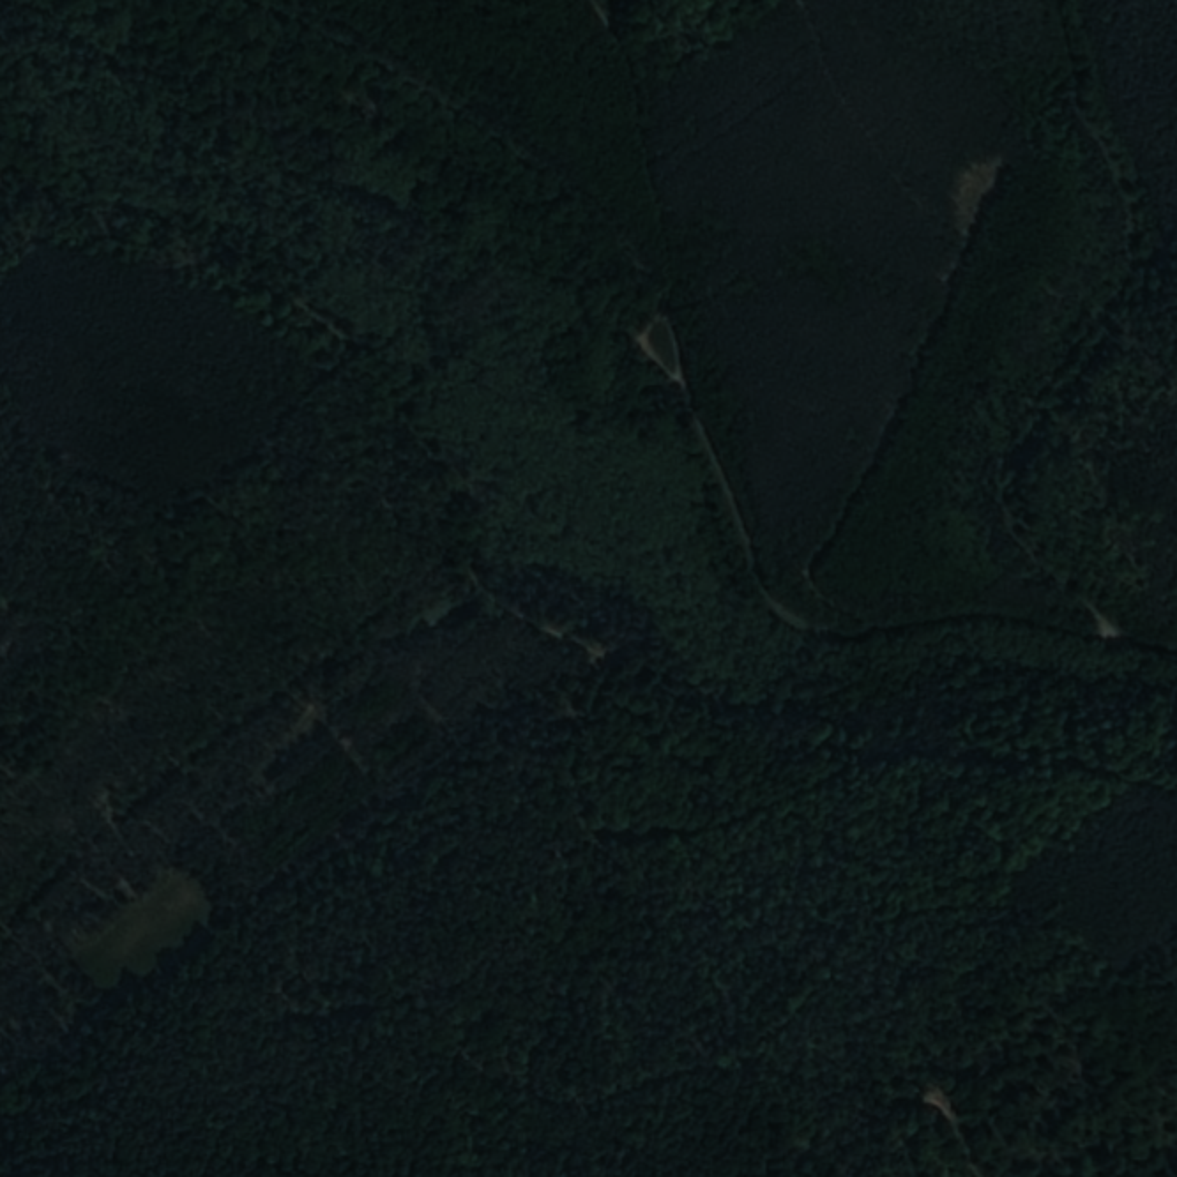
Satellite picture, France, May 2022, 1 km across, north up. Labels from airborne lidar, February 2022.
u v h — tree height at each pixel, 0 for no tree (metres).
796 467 18
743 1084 29
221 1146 27
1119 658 23
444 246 20
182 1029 27
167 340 14
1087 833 13
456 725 16
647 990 25
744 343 20
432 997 31
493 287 23
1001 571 19
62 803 22
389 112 26
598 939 30
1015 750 25
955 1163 28
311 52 29
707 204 17
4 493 27
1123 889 14
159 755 22
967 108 19
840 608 18
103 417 11
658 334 0
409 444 29
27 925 24
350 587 26
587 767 35
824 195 19
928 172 19
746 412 16
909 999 17
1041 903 14
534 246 19
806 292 18
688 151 20
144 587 29
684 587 19
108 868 23
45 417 13
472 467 35
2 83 29
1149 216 11
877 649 25
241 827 13
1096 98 16
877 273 18
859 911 25
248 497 23
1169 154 14
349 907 24
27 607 25
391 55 24
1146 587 6
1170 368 26
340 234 25
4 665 13
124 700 21
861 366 19
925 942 23
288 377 14
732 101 16
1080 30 16
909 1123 24
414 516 24
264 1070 30
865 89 19
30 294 13
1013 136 18
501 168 23
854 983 25
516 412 26
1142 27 13
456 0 19
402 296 12
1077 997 27
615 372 28
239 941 29
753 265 16
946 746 12
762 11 19
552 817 28
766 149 18
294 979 28
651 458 22
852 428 19
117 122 28
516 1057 25
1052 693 15
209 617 22
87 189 31
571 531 29
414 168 25
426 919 31
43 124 27
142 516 27
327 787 18
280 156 26
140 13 23
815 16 18
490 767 34
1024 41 22
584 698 28
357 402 22
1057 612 19
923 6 22
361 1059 29
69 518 27
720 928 30
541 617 28
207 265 24
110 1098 28
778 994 30
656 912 33
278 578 19
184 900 0
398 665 16
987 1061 10
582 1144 30
